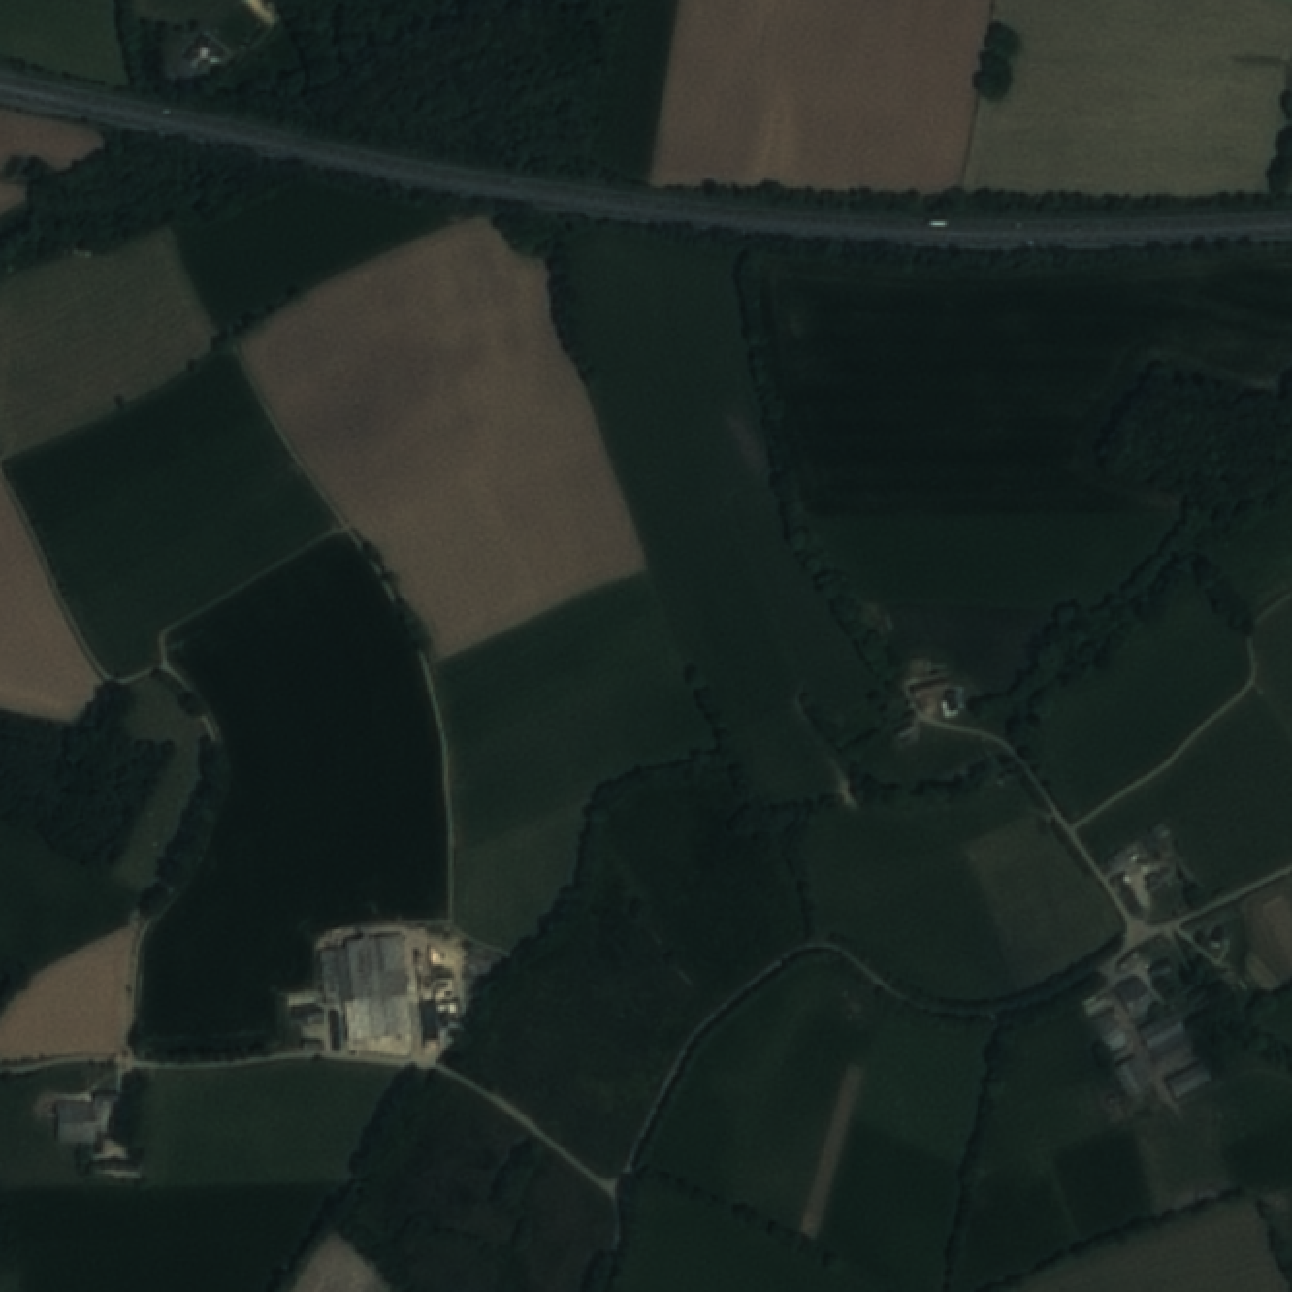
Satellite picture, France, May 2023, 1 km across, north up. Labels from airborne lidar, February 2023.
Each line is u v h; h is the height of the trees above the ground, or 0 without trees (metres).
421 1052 0
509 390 0
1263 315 0
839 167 0
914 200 11
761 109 0
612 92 0
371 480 0
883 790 10
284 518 0
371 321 0
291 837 0
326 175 9
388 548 0
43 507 0
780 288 0
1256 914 0
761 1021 0
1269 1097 0
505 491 0
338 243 0
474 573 0
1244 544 0
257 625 0
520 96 8
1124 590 8
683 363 0
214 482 0
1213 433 24
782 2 0
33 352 0
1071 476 0
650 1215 0
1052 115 0
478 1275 0
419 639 14
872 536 0
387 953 0
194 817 13
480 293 0
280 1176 0
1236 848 0
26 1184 0
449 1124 0
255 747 0
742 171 0
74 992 0
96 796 15
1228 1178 0
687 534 0
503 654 0
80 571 0
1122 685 0
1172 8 0
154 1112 0
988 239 0
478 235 0
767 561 0
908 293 0
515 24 21
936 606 0
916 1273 0
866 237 0
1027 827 0
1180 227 0
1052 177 0
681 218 0
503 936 0
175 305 0
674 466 0
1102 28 0
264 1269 0
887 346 0
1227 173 0
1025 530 0
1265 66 0
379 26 9
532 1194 0
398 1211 0
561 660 0
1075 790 0
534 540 0
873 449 0
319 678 0
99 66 0
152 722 0
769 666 0
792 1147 0
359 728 0
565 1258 0
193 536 0
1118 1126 0
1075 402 0
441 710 0
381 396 0
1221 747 0
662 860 0
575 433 0
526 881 0
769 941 0
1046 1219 0
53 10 0
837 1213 0
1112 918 0
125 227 18
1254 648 0
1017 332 0
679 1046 0
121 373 0
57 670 0
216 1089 0
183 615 0
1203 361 0
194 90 16
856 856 0
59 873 0
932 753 0
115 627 0
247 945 0
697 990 0
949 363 0
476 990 8
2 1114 0
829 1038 0
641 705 0
